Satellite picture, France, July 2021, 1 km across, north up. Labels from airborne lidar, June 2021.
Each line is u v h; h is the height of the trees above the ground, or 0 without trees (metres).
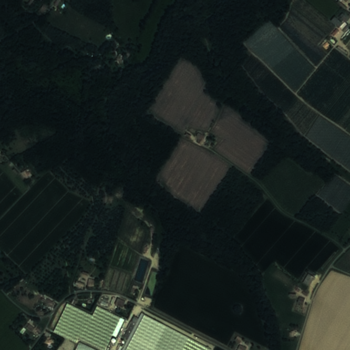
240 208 15
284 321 0
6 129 23
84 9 17
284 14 15
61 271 14
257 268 23
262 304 21
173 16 19
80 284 0
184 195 0
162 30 14
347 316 0
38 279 11
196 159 0
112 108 18
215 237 27
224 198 12
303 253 0
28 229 0
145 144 7
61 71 8
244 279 16
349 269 0
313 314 0
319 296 0
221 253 24
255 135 0
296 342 0
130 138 15
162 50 20
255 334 0
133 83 17
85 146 20
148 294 0
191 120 0
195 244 22
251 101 24
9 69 18
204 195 0
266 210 0
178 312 0
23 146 0
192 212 19
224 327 0
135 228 0
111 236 10
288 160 0
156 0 19
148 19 17
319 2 0
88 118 25
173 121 0
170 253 18
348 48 0
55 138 9
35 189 0
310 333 0
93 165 19
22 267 0
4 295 0
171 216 24
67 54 23
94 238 12
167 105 0
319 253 0
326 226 11
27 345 8
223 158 0
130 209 0
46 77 6
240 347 0
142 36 0
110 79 19
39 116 19
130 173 23
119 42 7
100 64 21
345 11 7
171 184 0
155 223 0
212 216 14
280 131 27
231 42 21
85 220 10
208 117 0
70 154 12
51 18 0
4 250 0
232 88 32
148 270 0
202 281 0
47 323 0
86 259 7
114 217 10
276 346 21
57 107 18
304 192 0
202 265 0
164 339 0
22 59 15
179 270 0
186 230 23
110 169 28
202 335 0
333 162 7
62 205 0
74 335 0
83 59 19
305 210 11
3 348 0
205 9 27
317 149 10
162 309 0
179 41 19
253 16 17
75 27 0
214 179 0
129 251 0
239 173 8
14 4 21
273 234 0
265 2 21
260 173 13
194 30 21
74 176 9
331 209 13
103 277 15
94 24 0
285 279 0
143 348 0
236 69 20
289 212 0
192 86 0
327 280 0
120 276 0
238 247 21
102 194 11
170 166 0
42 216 0
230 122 0
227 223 12
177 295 0
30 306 0
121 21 0
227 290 0
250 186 7
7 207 0
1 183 0
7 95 17
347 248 0
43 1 11
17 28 20
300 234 0
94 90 20
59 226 0
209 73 20
